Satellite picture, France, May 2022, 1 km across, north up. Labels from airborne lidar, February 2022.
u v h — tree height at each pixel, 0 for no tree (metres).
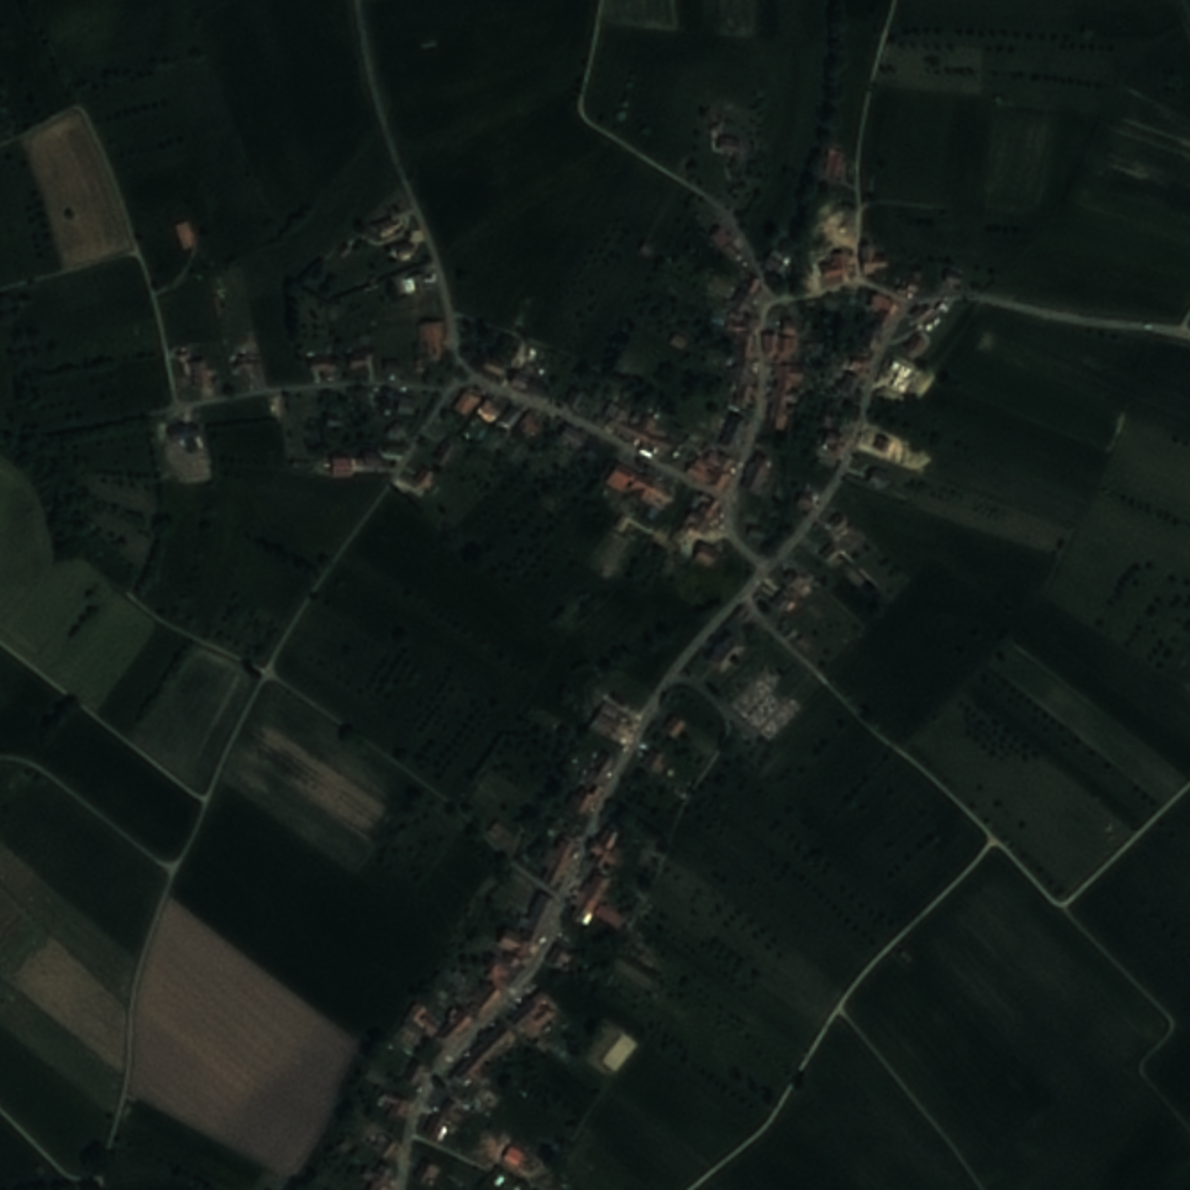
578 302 0
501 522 0
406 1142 0
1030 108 0
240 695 0
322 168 0
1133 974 0
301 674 0
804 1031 0
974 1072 0
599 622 0
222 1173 0
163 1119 0
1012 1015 0
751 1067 0
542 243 0
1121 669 0
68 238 0
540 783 0
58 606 0
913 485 5
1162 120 0
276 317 0
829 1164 0
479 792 0
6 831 0
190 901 0
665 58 0
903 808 0
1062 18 0
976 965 0
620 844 15
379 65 0
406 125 0
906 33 7
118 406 0
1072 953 0
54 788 0
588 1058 0
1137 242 0
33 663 0
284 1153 0
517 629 0
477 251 0
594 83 0
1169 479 0
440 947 0
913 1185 0
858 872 0
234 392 6
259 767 0
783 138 0
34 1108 0
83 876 0
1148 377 0
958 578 0
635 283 0
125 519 7
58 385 0
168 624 0
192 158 0
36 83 0
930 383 0
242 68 0
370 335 0
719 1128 0
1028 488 0
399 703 0
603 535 0
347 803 0
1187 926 0
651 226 0
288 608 0
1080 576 0
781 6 0
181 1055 0
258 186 0
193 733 0
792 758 0
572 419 0
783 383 0
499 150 0
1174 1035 0
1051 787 0
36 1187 13
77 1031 0
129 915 0
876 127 0
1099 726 0
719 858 0
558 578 0
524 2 0
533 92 0
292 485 0
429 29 0
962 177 0
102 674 0
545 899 0
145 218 0
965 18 0
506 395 0
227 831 0
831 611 0
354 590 0
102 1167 17
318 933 0
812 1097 0
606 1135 0
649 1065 0
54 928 0
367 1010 0
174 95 0
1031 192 0
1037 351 0
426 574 0
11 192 0
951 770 0
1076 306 0
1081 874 0
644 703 0
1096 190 0
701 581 0
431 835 0
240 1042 0
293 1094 0
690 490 0
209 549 0
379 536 0
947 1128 0
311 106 0
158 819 0
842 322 13
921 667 0
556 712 0
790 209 0
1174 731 0
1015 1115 0
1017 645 0
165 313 0
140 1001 0
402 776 0
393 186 0
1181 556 0
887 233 0
